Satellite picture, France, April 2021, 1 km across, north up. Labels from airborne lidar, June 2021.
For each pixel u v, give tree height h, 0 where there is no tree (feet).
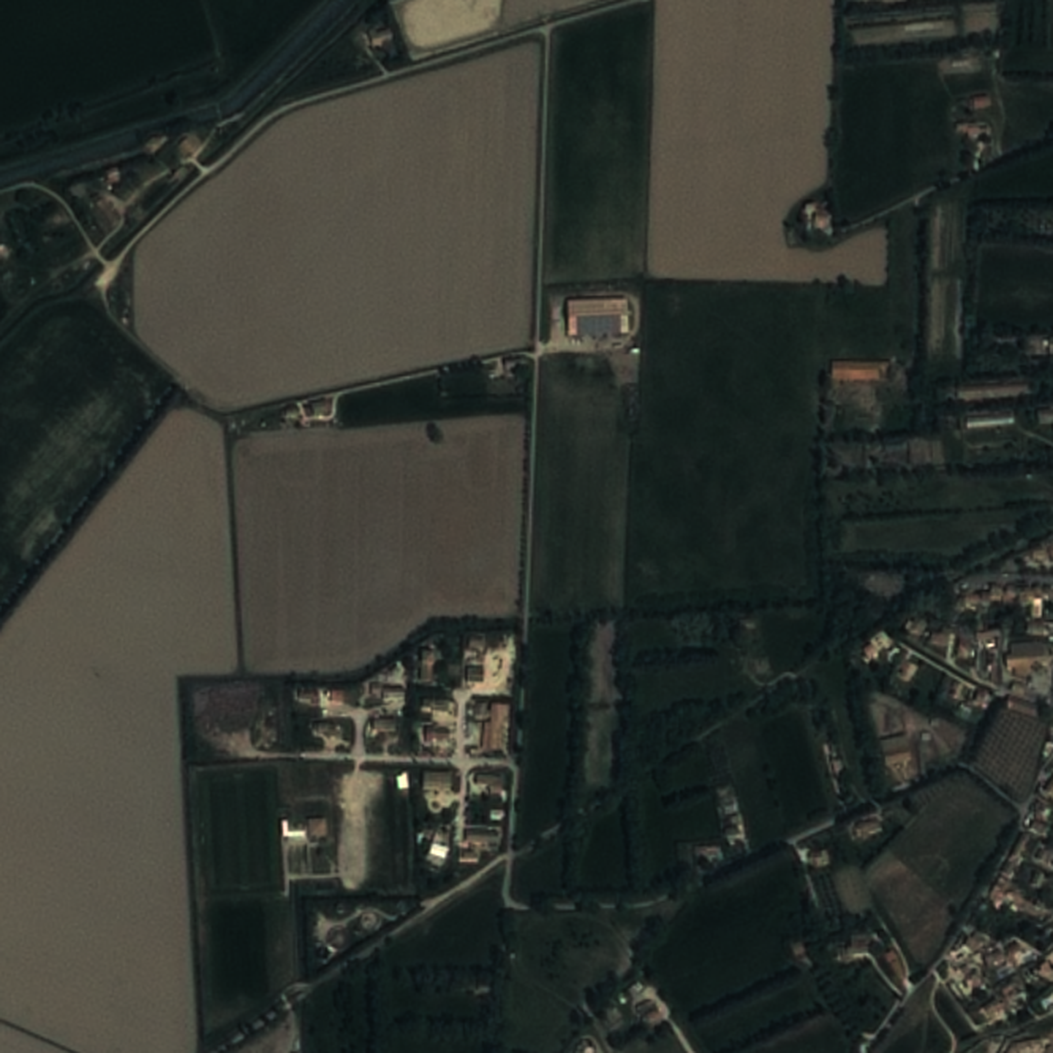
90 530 0
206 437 0
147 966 0
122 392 0
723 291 0
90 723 0
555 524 0
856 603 22
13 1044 0
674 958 0
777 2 0
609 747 0
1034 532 45
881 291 0
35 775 0
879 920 30
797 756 0
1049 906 28
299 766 0
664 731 53
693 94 0
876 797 45
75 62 0
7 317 0
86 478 0
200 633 0
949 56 30
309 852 0
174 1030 0
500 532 0
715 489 0
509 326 0
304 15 0
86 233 0
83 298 0
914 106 0
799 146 0
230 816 0
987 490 0
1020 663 0
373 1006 50
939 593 68
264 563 0
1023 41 22
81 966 0
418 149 0
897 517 30
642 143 0
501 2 0
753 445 0
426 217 0
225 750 0
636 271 0
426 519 0
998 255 0
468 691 0
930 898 0
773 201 0
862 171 0
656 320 0
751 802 0
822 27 0
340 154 0
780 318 0
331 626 0
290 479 0
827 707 51
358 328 0
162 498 0
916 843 0
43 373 0
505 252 0
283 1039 0
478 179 0
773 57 0
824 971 28
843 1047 0
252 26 0
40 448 0
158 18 0
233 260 0
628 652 48
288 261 0
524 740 0
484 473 0
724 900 0
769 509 0
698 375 0
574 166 0
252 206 0
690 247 0
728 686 0
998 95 0
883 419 0
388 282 0
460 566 0
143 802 0
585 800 39
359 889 0
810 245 46
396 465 0
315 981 22
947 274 0
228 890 0
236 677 0
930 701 27
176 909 0
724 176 0
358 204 0
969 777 51
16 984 0
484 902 0
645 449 0
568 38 0
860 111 0
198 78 0
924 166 0
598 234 0
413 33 0
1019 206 34
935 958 0
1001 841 24
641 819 58
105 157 0
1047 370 45
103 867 0
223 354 0
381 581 0
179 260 0
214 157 0
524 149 0
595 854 0
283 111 0
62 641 0
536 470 0
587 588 0
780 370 0
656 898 56
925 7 30
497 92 0
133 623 0
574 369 0
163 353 0
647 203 0
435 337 0
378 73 0
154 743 0
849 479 45
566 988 0
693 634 52
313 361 0
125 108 0
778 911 0
